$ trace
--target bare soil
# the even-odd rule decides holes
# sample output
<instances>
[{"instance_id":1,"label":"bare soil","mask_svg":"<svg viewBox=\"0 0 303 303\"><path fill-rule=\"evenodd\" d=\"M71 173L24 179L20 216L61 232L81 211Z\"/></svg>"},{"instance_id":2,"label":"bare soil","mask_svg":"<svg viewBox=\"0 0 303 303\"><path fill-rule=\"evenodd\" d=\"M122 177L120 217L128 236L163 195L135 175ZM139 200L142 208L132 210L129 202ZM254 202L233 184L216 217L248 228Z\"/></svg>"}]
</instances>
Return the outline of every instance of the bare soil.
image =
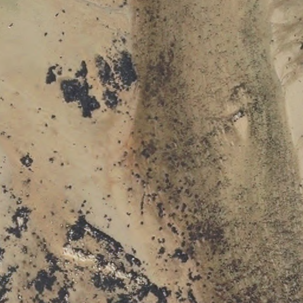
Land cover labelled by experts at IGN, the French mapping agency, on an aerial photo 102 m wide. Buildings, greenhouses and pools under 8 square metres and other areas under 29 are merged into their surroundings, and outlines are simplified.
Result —
<instances>
[{"instance_id":1,"label":"bare soil","mask_svg":"<svg viewBox=\"0 0 303 303\"><path fill-rule=\"evenodd\" d=\"M130 54L136 73L136 80L130 85L124 84L120 73L115 71L115 66L121 66L122 51ZM99 108L92 111L90 117L83 116L83 110L79 108L77 101L65 101L60 84L63 80L69 79L78 80L80 84L88 82L91 85L89 95L97 99ZM22 207L30 208L31 213L28 214L27 230L22 231L21 237L17 238L14 234L8 233L7 228L15 227L12 221L13 214ZM117 253L118 259L105 250L105 240L97 241L91 237L72 240L72 226L83 215L86 221L109 234L123 246L124 250ZM54 272L56 281L52 289L44 289L43 292L37 291L36 286L27 289L27 282L36 278L40 270L50 269L50 263L46 260L46 254L50 252L57 257L59 266ZM125 270L144 273L151 283L160 288L165 286L170 290L168 303L303 303L303 0L0 0L0 275L6 275L8 267L18 266L18 270L13 272L6 285L11 291L4 295L4 303L117 303L120 301L120 295L136 292L141 289L142 284L147 284L146 278L136 278L137 281L134 282L131 275L118 271L121 264ZM125 286L122 289L115 288L114 291L98 289L92 279L96 273L101 275L101 281L108 275L111 278L121 278Z\"/></svg>"}]
</instances>

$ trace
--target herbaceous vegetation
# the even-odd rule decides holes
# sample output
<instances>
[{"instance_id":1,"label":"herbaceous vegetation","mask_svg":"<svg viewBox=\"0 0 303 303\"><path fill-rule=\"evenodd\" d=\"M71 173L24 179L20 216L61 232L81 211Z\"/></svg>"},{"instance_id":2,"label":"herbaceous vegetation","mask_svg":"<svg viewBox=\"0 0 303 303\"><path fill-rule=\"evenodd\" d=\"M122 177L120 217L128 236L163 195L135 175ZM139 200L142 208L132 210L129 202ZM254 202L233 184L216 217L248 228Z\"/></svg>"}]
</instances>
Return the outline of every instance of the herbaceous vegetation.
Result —
<instances>
[{"instance_id":1,"label":"herbaceous vegetation","mask_svg":"<svg viewBox=\"0 0 303 303\"><path fill-rule=\"evenodd\" d=\"M27 230L28 214L31 213L30 208L22 207L13 214L12 221L15 227L7 228L8 233L14 234L17 238L21 237L22 231Z\"/></svg>"},{"instance_id":2,"label":"herbaceous vegetation","mask_svg":"<svg viewBox=\"0 0 303 303\"><path fill-rule=\"evenodd\" d=\"M56 281L54 272L59 266L57 257L50 252L46 254L46 260L50 263L50 269L40 270L36 278L27 282L27 289L36 286L37 291L43 292L44 289L52 289Z\"/></svg>"},{"instance_id":3,"label":"herbaceous vegetation","mask_svg":"<svg viewBox=\"0 0 303 303\"><path fill-rule=\"evenodd\" d=\"M165 286L160 288L151 283L144 273L125 270L121 264L118 271L131 275L134 282L137 281L136 278L146 278L147 284L142 284L141 289L136 292L120 295L120 301L117 303L168 303L170 290Z\"/></svg>"},{"instance_id":4,"label":"herbaceous vegetation","mask_svg":"<svg viewBox=\"0 0 303 303\"><path fill-rule=\"evenodd\" d=\"M18 270L18 266L8 267L6 275L0 275L0 303L4 303L4 295L11 291L6 285L13 272Z\"/></svg>"},{"instance_id":5,"label":"herbaceous vegetation","mask_svg":"<svg viewBox=\"0 0 303 303\"><path fill-rule=\"evenodd\" d=\"M92 279L98 289L114 291L115 288L122 289L125 286L121 278L111 278L108 275L101 281L101 275L96 273Z\"/></svg>"},{"instance_id":6,"label":"herbaceous vegetation","mask_svg":"<svg viewBox=\"0 0 303 303\"><path fill-rule=\"evenodd\" d=\"M120 73L124 84L130 85L136 80L136 73L130 54L122 51L121 66L115 66L115 71Z\"/></svg>"},{"instance_id":7,"label":"herbaceous vegetation","mask_svg":"<svg viewBox=\"0 0 303 303\"><path fill-rule=\"evenodd\" d=\"M124 250L123 246L109 234L86 221L83 215L72 226L72 240L91 237L97 241L105 240L105 250L118 259L117 253Z\"/></svg>"},{"instance_id":8,"label":"herbaceous vegetation","mask_svg":"<svg viewBox=\"0 0 303 303\"><path fill-rule=\"evenodd\" d=\"M92 111L99 108L97 99L89 95L91 85L88 82L80 84L78 80L69 79L63 80L60 84L65 101L77 101L79 108L83 110L83 116L90 117Z\"/></svg>"}]
</instances>

